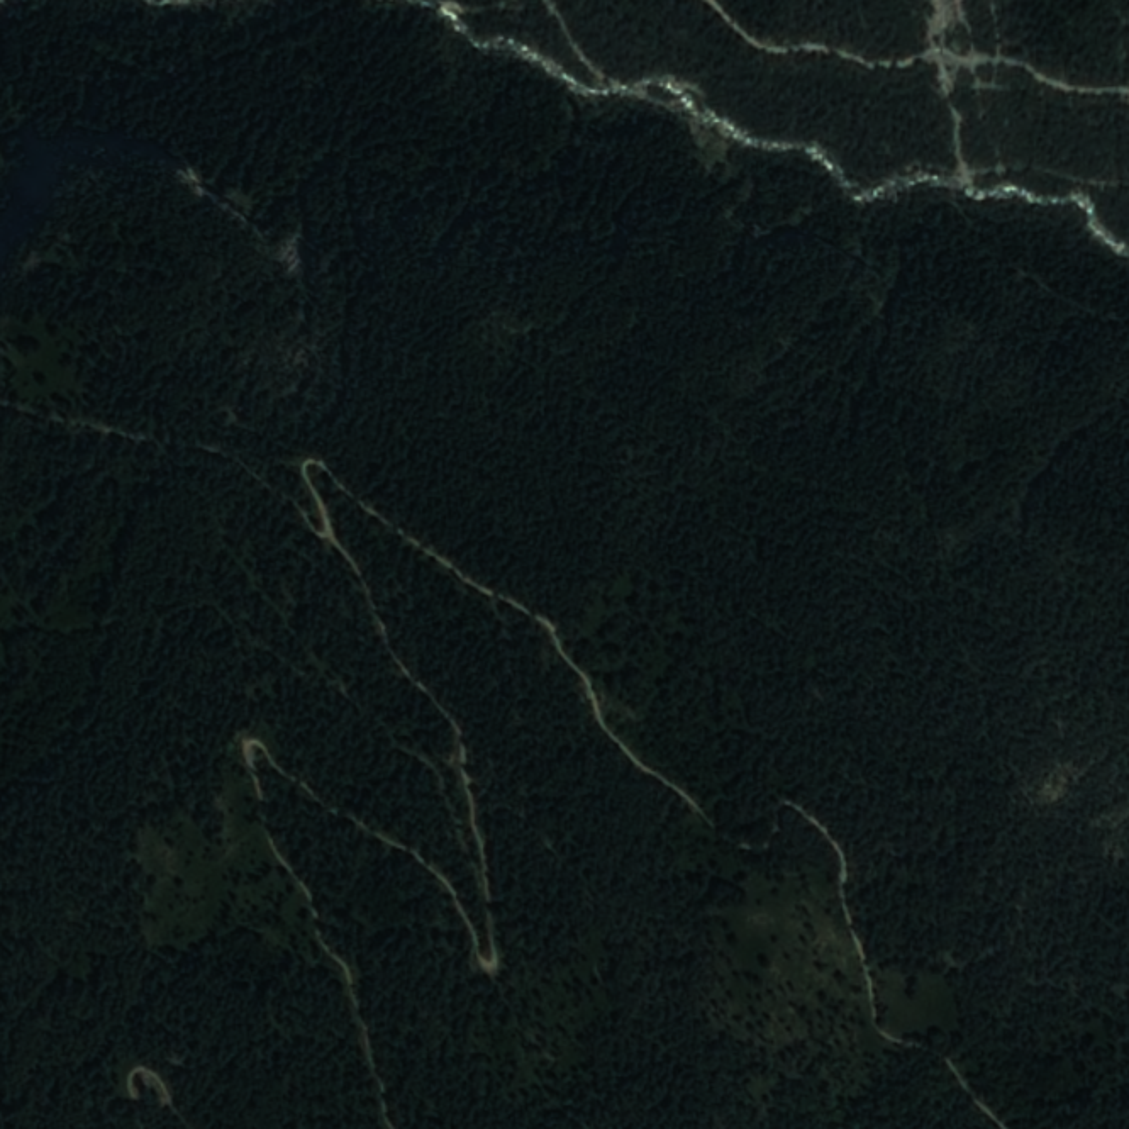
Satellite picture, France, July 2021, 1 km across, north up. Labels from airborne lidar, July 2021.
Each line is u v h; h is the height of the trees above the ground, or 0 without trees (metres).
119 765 23
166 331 21
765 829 13
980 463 17
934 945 20
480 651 23
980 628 20
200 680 26
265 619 26
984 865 15
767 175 6
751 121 10
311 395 6
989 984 15
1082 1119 19
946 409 9
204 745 22
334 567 28
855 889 14
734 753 9
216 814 24
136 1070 0
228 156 15
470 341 17
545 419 27
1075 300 22
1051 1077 21
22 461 24
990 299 23
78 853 24
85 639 10
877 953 23
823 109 7
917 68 10
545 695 12
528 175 25
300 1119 22
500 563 21
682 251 25
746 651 22
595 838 21
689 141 17
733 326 25
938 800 13
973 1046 10
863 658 16
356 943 20
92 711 18
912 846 17
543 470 21
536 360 18
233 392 19
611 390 16
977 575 8
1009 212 8
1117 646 15
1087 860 15
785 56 6
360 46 24
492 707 20
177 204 25
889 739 15
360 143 28
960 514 16
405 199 20
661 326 21
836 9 14
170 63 30
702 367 18
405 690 14
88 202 21
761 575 23
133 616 29
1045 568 10
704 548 20
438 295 22
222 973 26
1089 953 15
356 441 22
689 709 12
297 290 13
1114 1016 19
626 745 9
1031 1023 19
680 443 12
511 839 25
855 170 9
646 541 21
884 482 19
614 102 8
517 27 13
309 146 21
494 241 23
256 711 26
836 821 13
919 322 26
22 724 9
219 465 23
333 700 25
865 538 16
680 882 22
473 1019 21
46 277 25
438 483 25
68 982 24
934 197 7
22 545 13
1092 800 9
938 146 8
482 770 20
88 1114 16
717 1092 15
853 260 20
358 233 8
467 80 14
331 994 22
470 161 26
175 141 24
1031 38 13
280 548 16
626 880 24
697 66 11
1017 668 11
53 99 23
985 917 15
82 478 20
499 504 23
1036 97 6
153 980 25
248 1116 25
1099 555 19
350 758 22
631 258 16
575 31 12
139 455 15
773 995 20
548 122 22
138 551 27
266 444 19
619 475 11
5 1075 28
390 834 15
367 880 9
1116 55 9
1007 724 14
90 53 25
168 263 19
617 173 29
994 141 6
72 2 19
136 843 22
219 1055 26
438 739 25
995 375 15
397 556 17
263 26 18
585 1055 7
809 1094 19
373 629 18
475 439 18
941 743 11
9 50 23
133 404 28
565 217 29
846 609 23
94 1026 25
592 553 20
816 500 21
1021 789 9
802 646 16
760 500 20
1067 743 9
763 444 24
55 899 26
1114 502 14
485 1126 17
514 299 20
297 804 25
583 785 24
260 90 24
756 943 0
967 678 10
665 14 10
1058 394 16
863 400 19
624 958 18
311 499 19
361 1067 14
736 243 18
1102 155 7
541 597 28
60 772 22
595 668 9
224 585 24
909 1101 15
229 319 22
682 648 15
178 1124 23
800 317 18
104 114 34
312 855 25
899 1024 0
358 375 18
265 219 10
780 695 20
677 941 12
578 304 21
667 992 15
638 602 21
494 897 15
